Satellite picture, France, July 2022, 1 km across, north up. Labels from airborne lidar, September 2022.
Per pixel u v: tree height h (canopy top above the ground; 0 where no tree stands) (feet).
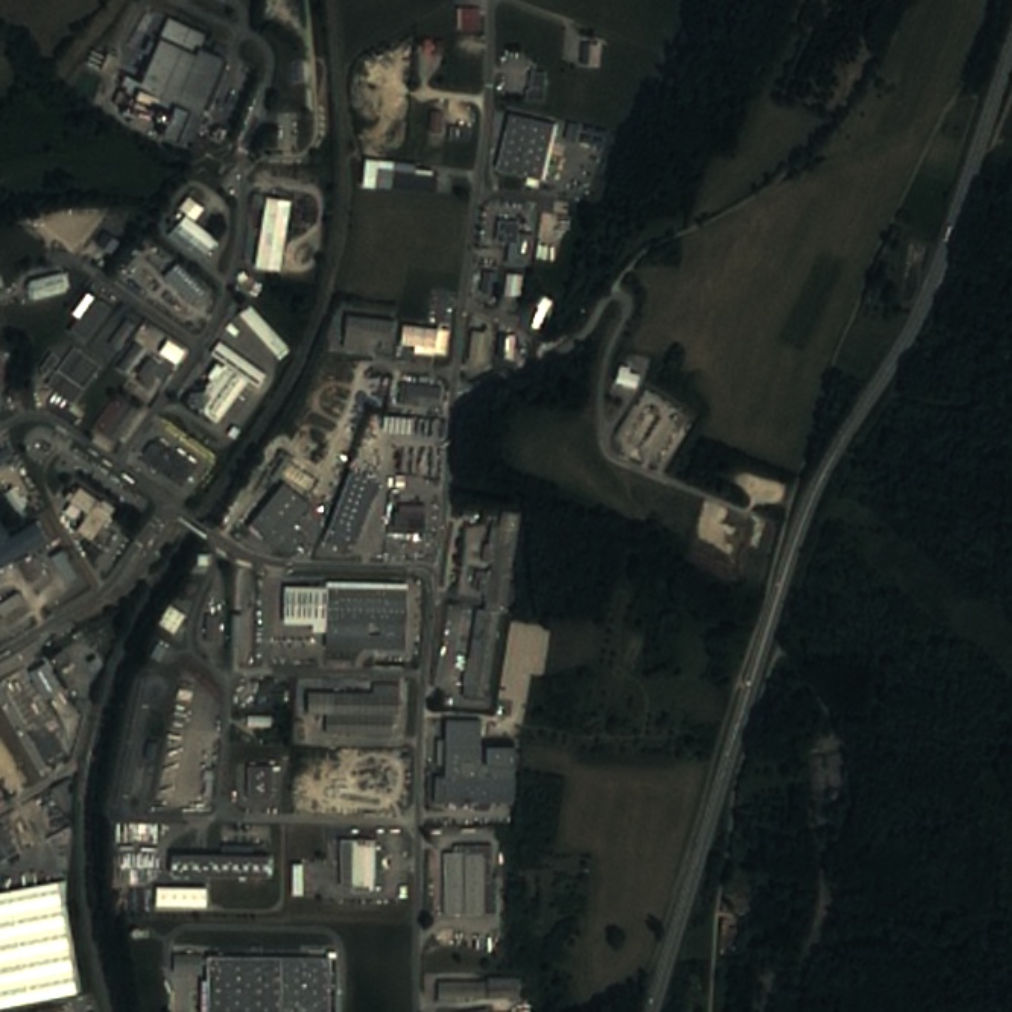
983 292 62
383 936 0
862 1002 59
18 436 0
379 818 0
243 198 0
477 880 0
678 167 49
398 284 0
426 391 0
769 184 20
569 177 0
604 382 0
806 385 0
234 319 0
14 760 0
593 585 60
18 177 0
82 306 0
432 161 0
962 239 61
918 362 74
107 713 33
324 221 23
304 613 0
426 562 0
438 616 0
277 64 0
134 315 0
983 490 93
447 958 0
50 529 0
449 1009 0
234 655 0
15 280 0
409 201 0
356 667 0
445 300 0
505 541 0
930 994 62
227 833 0
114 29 0
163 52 0
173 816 0
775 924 45
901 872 31
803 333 0
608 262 46
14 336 56
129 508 42
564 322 31
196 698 0
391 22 0
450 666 0
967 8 0
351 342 0
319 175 0
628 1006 54
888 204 0
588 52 0
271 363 0
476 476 60
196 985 0
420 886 0
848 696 53
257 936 0
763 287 0
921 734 48
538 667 0
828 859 53
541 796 20
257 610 0
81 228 0
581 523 65
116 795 0
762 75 41
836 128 40
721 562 0
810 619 51
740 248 0
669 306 0
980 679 39
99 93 0
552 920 0
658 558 61
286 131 0
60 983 0
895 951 79
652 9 0
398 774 0
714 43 85
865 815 79
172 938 0
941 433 73
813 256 0
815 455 49
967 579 63
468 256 0
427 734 0
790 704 53
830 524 23
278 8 0
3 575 0
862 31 24
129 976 30
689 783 0
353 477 0
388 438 0
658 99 73
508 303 0
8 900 0
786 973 29
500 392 75
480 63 0
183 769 0
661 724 30
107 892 50
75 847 0
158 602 35
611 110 0
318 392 0
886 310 24
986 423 75
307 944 0
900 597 32
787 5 66
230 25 0
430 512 0
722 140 52
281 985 0
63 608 0
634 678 0
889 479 50
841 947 35
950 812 58
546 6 0
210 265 0
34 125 0
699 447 25
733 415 0
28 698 0
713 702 0
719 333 0
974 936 49
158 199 31
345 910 0
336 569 0
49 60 26
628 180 71
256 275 0
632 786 0
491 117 0
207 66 0
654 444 0
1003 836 34
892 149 0
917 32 0
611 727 30
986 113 0
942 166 0
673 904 0
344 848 0
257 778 0
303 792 0
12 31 41
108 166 0
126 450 0
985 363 46
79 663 0
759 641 0
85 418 0
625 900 0
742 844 22
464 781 0
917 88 0
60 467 0
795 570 0
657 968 0
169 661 0
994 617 0
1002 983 29
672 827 0
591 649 0
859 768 67
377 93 0
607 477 0
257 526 0
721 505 0
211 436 0
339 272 0
